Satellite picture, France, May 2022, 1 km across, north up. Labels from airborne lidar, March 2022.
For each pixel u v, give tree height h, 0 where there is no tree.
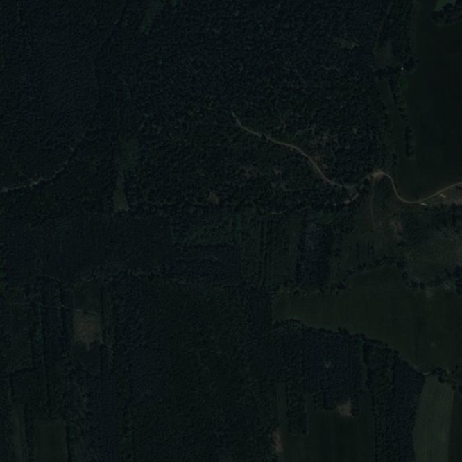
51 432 0
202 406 10
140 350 25
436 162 0
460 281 22
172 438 11
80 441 15
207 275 28
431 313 0
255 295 15
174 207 13
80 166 22
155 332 10
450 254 0
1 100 15
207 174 9
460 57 0
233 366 10
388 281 0
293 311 0
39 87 27
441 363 0
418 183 0
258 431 14
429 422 0
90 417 19
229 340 13
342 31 41
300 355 15
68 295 12
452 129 0
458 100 0
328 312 0
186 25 6
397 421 14
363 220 0
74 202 16
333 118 13
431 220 0
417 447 0
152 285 11
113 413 20
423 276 0
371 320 0
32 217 15
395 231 0
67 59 32
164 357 10
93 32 25
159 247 20
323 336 20
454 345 0
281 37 36
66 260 22
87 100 32
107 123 24
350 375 23
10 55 22
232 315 13
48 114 27
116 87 28
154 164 6
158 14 28
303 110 11
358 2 30
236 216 19
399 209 0
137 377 26
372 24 28
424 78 0
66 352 15
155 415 9
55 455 0
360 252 0
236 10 30
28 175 19
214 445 11
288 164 8
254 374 7
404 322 0
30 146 24
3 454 12
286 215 28
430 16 0
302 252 30
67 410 18
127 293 30
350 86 14
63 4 24
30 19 25
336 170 10
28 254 23
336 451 0
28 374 14
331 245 19
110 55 27
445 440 0
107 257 22
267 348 12
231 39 34
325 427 0
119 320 23
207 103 23
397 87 21
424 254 0
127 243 21
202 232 25
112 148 22
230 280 28
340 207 18
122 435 11
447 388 0
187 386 10
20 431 0
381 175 0
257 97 29
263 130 6
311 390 20
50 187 19
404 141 0
